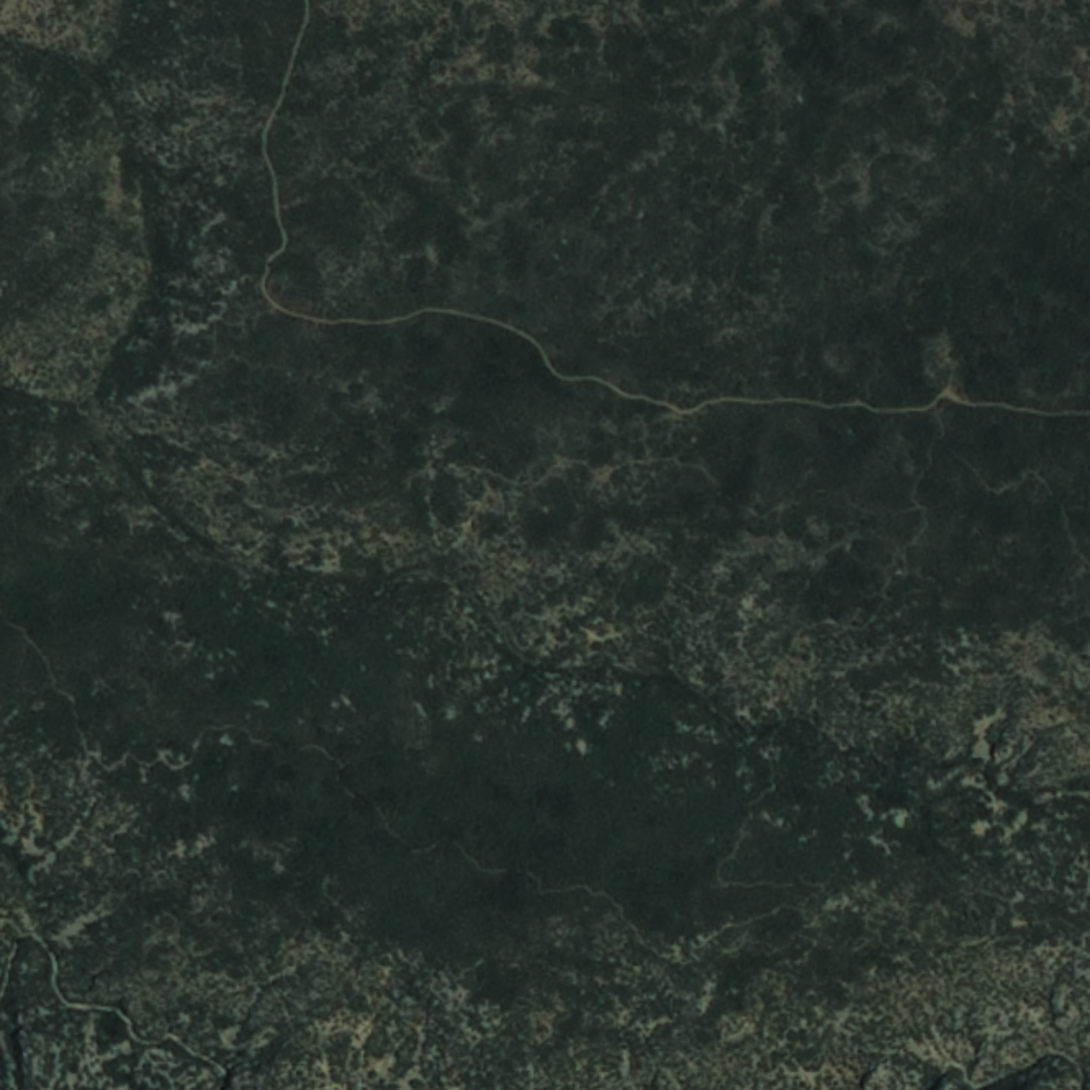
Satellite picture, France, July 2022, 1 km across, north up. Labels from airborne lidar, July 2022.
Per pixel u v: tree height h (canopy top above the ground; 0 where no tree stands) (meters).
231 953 0
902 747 6
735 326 0
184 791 0
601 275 0
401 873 0
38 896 6
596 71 0
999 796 6
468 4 0
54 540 0
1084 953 0
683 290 0
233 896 0
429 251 0
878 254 0
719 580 0
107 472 0
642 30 0
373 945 0
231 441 0
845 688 0
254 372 0
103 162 0
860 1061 6
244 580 0
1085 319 0
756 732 7
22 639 0
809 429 0
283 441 0
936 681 0
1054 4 0
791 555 0
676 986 0
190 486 0
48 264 0
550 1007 6
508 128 0
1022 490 0
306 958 0
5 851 6
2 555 0
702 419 0
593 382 0
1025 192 0
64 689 0
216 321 0
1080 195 0
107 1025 8
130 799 0
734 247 0
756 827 0
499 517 0
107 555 0
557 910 0
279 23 0
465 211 0
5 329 0
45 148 0
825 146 0
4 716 0
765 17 0
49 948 7
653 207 0
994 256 0
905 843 6
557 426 0
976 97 0
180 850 0
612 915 0
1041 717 0
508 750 0
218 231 0
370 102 0
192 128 0
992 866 7
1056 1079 6
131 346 0
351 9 0
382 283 0
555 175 0
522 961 0
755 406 0
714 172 0
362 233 0
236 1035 7
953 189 0
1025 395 0
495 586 0
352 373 0
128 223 0
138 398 0
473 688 0
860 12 0
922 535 0
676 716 0
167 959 0
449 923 0
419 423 0
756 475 0
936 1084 11
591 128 0
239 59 0
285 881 0
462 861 0
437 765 0
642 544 0
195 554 0
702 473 0
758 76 0
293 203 0
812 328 0
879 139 0
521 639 0
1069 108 0
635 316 0
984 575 0
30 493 6
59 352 0
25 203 0
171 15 0
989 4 0
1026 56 0
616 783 0
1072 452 0
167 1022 6
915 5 5
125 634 0
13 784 6
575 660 0
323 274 0
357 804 6
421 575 0
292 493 0
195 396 0
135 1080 6
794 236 0
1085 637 0
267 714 0
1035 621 0
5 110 0
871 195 0
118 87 0
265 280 0
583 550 0
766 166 0
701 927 0
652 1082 10
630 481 0
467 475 0
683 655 0
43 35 0
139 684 0
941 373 0
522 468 0
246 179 0
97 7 0
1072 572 0
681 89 0
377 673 0
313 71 0
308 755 0
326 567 0
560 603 0
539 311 0
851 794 6
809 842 0
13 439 0
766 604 0
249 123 0
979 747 0
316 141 0
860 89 0
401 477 0
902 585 0
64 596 0
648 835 0
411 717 0
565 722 0
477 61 0
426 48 0
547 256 0
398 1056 5
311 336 0
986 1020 0
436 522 0
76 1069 7
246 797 6
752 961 5
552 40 0
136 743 0
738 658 0
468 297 0
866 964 5
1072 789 6
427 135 0
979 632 0
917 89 0
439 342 0
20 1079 7
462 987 0
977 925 6
